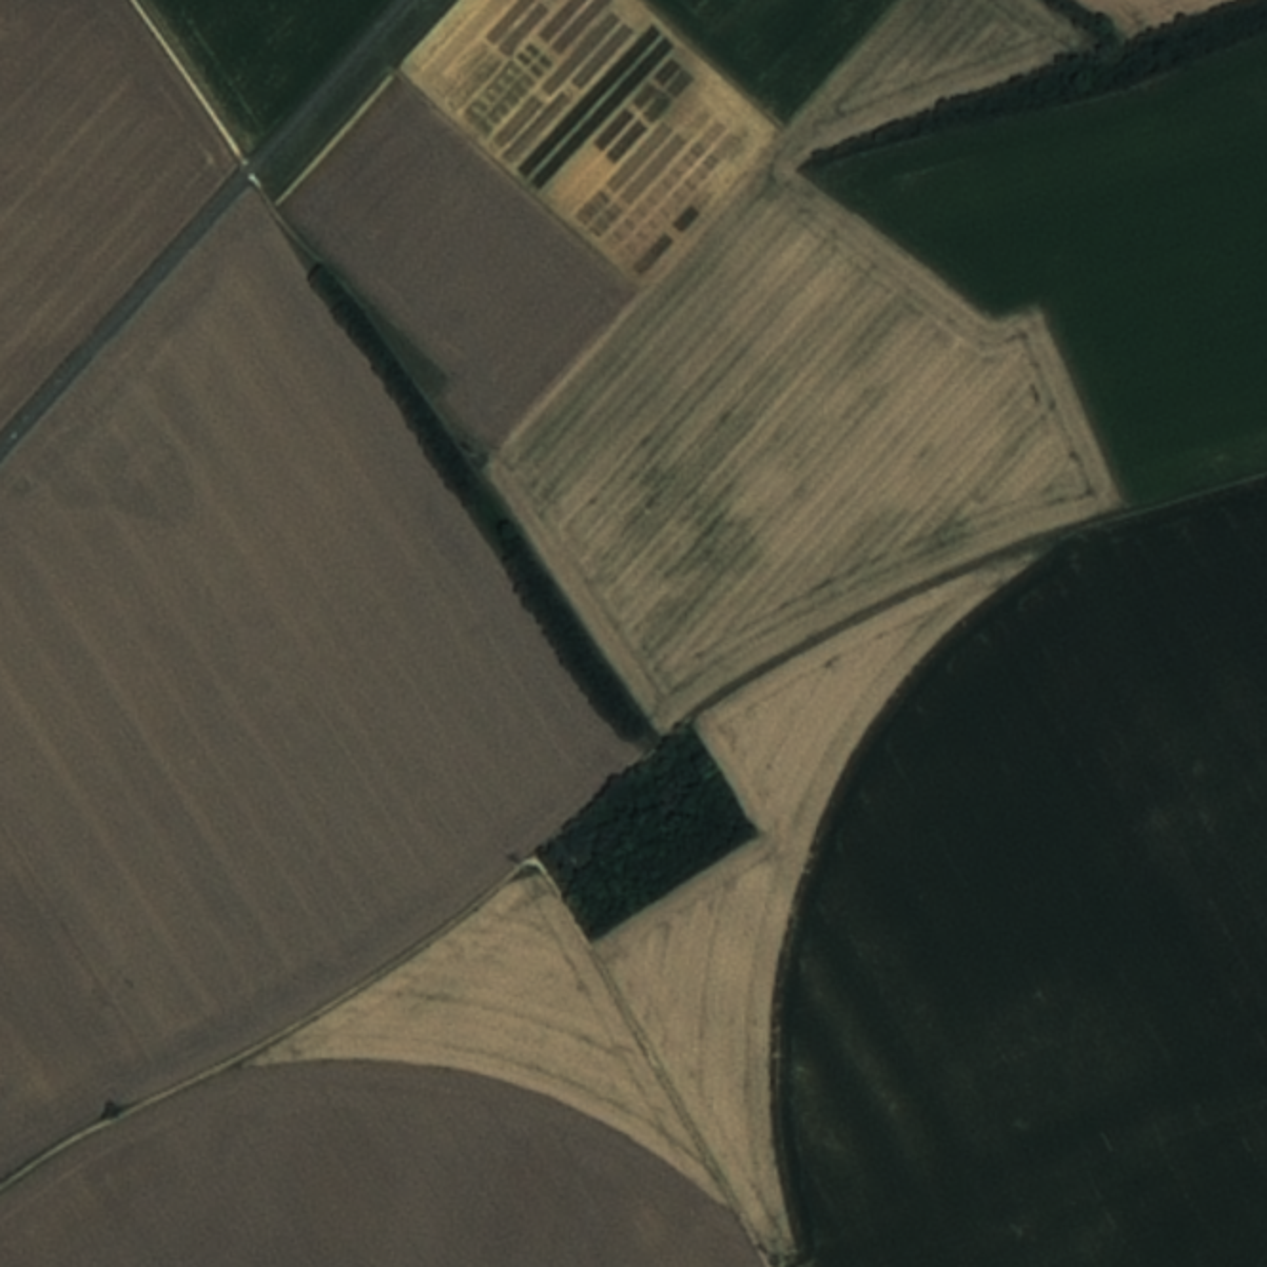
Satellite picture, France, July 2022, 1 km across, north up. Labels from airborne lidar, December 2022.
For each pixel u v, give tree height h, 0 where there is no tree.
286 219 0
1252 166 0
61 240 0
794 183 0
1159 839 0
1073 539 0
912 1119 0
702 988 0
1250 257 0
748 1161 0
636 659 0
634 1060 0
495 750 0
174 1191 0
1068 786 0
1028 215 0
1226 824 0
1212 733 0
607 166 0
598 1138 0
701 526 0
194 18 0
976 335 0
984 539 0
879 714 0
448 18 0
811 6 0
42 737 0
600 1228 0
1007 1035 0
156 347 0
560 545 0
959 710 0
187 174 0
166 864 0
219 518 0
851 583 0
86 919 0
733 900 0
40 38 0
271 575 0
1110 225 0
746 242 0
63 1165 0
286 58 0
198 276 0
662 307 0
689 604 0
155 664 0
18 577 0
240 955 0
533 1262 0
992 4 0
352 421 0
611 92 0
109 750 0
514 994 0
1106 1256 0
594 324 0
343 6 0
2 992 0
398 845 0
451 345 0
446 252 0
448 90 0
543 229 0
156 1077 0
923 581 0
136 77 0
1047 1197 0
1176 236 0
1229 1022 0
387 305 0
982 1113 0
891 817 0
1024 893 0
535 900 0
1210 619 0
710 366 0
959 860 0
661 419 0
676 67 0
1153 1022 0
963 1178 0
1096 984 0
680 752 14
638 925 0
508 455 0
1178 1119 0
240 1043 0
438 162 0
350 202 0
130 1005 0
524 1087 0
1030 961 0
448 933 0
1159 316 0
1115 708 0
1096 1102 0
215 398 0
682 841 17
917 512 0
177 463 0
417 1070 0
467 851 0
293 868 0
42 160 0
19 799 0
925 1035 0
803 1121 0
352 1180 0
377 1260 0
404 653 0
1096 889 0
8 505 0
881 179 0
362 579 0
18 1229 0
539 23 0
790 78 0
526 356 0
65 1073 0
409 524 0
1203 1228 0
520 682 0
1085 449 0
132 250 0
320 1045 0
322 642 0
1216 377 0
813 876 0
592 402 0
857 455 0
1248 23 10
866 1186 0
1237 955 0
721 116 0
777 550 0
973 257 0
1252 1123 0
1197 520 0
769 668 0
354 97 0
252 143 0
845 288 0
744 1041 0
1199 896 0
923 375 0
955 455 0
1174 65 5
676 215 0
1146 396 0
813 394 0
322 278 12
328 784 0
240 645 0
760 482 0
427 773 0
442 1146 0
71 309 0
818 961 0
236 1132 0
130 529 0
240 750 0
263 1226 0
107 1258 0
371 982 0
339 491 0
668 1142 0
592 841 16
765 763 0
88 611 0
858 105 0
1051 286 0
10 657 0
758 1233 0
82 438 0
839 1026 0
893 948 0
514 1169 0
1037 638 0
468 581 0
